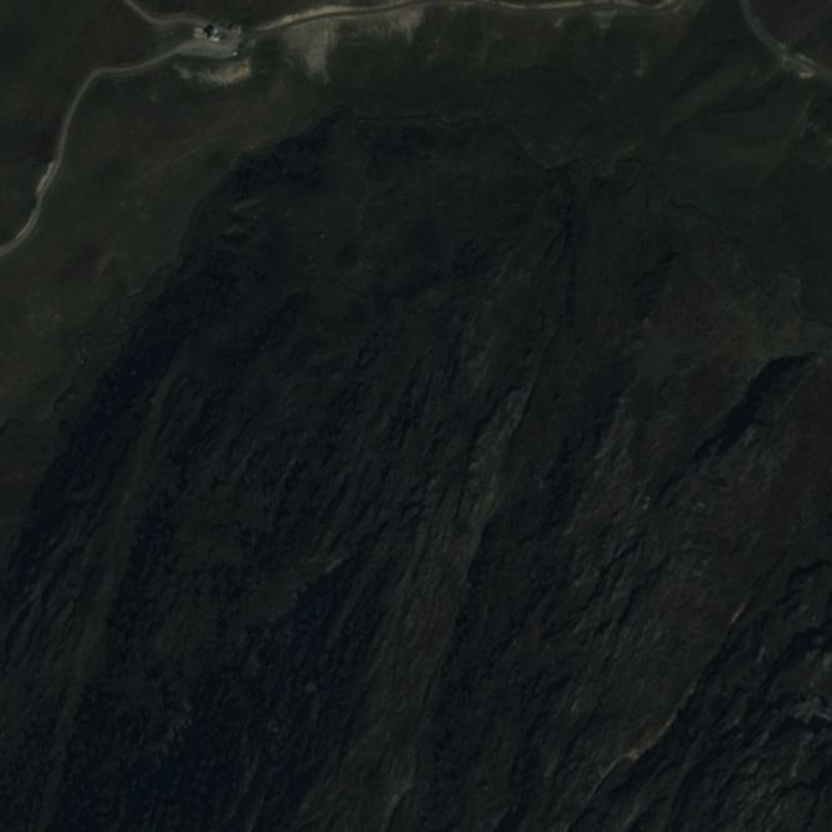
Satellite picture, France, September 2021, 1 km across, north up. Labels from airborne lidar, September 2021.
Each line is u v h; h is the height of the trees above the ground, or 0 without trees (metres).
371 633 0
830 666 0
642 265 0
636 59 0
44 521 0
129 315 0
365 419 0
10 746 0
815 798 0
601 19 0
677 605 0
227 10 0
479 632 0
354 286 0
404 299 0
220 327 0
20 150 0
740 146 0
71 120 0
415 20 0
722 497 0
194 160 0
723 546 0
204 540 0
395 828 0
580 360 0
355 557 0
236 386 0
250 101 0
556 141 0
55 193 0
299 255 0
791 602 0
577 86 0
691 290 0
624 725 0
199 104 0
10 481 0
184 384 0
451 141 0
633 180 0
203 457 0
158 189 0
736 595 0
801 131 0
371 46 0
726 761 0
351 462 0
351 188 0
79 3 0
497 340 0
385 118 0
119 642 0
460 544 0
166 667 0
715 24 0
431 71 0
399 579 0
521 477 0
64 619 0
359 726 0
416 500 0
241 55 0
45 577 0
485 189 0
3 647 0
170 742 0
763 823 0
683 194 0
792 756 0
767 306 0
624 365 0
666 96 0
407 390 0
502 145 0
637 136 0
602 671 0
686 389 0
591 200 0
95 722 9
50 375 0
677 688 0
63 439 0
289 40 0
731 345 0
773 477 0
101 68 0
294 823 0
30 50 0
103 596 0
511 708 0
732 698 0
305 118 0
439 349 0
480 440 0
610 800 0
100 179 0
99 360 0
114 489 0
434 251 0
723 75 0
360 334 0
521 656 0
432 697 0
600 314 0
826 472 0
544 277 0
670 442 0
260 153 0
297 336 0
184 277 0
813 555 0
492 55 0
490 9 0
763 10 0
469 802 0
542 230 0
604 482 0
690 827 0
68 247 0
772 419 0
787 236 0
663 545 0
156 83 0
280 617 0
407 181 0
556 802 0
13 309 0
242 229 0
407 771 0
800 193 0
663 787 0
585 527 0
